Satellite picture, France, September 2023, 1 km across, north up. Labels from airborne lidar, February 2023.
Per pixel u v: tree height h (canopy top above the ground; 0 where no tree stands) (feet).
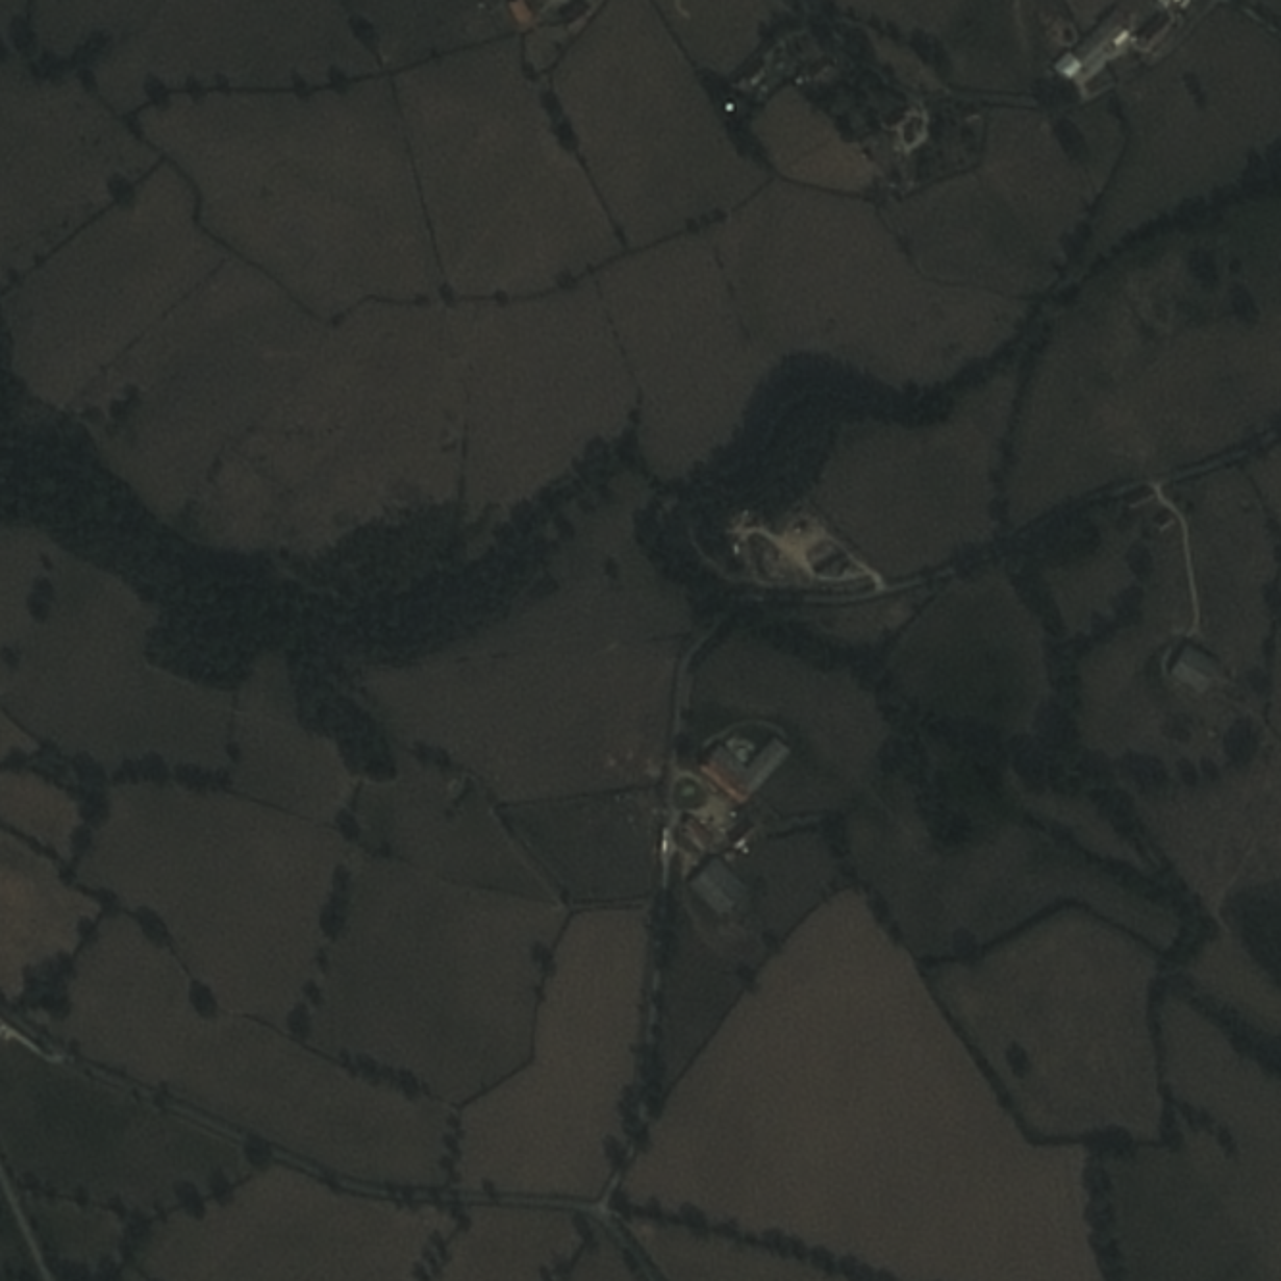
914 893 0
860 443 0
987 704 0
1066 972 0
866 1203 0
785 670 0
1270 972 0
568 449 0
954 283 0
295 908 0
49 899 0
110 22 0
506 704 0
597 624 0
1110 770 58
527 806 0
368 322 0
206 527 0
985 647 0
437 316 0
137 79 0
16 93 0
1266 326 0
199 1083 0
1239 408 0
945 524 0
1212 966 0
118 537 45
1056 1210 0
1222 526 0
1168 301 0
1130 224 0
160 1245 0
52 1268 60
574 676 0
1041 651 0
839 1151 0
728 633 35
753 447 81
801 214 0
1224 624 0
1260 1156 0
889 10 0
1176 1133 53
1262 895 0
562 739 0
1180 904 22
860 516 0
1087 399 0
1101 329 0
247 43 0
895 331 0
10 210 0
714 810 0
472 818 0
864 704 0
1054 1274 0
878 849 0
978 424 0
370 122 0
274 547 0
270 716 0
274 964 0
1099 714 0
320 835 0
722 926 0
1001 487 40
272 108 0
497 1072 0
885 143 0
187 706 0
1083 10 0
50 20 0
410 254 0
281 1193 0
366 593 22
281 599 29
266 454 0
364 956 0
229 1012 0
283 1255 0
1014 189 0
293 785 0
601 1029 0
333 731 32
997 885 0
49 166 0
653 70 0
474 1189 0
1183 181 0
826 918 0
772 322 0
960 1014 0
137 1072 0
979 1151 0
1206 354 0
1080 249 50
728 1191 0
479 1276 0
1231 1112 0
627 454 75
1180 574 0
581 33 0
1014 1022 0
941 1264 0
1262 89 0
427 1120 0
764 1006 0
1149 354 0
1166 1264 0
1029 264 0
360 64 0
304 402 0
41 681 0
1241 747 53
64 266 0
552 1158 0
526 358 0
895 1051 0
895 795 0
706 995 0
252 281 0
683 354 0
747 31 0
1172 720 0
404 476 0
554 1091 0
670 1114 0
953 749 56
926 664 0
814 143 0
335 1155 0
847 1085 0
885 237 0
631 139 0
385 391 0
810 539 0
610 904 0
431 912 0
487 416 0
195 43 0
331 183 0
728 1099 0
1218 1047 0
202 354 0
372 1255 0
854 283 0
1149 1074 0
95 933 36
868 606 0
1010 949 0
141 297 0
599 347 0
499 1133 0
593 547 0
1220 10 0
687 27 0
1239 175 0
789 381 67
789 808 0
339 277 0
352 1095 0
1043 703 0
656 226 0
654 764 0
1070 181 0
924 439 0
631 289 0
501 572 38
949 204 0
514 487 0
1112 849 0
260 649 38
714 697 0
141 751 0
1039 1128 0
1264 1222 0
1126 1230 0
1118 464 0
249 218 0
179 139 0
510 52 0
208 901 0
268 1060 0
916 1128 0
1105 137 0
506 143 0
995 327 0
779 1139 0
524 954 0
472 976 0
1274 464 0
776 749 0
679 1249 0
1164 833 0
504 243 0
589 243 0
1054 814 0
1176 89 0
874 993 0
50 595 46
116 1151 0
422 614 59
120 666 0
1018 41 0
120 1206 45
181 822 0
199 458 0
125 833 0
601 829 0
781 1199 0
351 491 0
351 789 0
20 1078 0
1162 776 57
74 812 0
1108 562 0
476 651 0
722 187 0
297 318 0
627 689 0
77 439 26
